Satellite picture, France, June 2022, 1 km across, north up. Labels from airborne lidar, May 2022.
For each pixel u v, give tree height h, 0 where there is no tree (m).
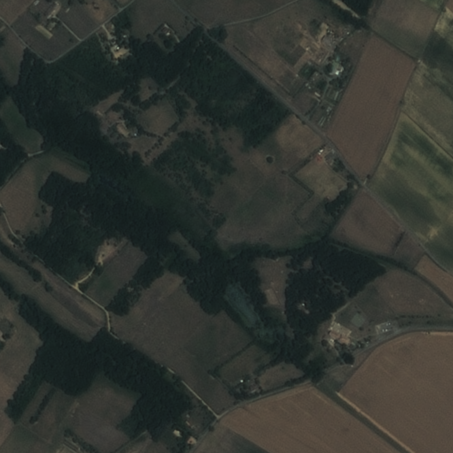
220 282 18
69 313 0
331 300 21
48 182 14
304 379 16
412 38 0
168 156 8
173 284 0
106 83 9
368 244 0
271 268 0
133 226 17
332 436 0
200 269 21
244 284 14
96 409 0
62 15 0
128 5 0
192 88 13
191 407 10
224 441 0
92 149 11
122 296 10
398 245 8
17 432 0
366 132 0
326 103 0
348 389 0
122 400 0
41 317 28
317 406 0
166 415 14
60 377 19
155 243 19
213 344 0
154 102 9
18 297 19
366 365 0
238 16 0
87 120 15
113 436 0
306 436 0
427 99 0
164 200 0
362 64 0
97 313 0
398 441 0
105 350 21
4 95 19
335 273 22
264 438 0
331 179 0
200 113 6
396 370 0
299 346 14
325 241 18
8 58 0
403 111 0
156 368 12
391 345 0
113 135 8
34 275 14
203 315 0
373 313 0
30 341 0
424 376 0
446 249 0
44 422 0
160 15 0
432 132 0
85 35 0
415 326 0
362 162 0
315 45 0
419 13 0
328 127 0
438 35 0
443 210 0
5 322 0
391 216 0
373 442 0
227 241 0
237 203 0
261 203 0
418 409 0
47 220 0
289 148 0
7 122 0
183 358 0
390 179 0
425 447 0
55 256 13
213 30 10
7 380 0
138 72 9
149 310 0
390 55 0
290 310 20
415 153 0
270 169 0
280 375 0
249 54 0
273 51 0
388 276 0
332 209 16
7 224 0
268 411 0
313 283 20
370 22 0
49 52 0
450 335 0
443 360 0
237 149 0
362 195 0
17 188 0
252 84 5
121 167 12
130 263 0
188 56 18
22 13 0
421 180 0
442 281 0
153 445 0
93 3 6
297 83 0
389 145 0
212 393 0
